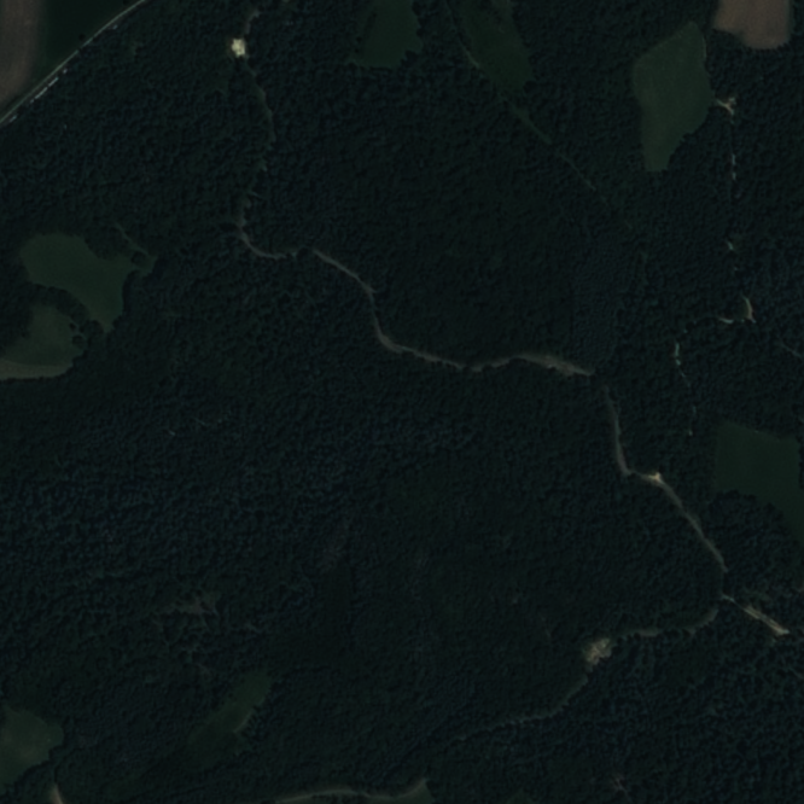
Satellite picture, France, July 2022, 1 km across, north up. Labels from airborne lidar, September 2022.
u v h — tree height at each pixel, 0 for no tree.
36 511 31
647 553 11
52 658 19
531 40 14
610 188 13
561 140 12
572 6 20
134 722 21
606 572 19
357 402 11
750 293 33
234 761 7
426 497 15
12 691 23
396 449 24
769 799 14
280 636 13
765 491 0
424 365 17
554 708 16
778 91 18
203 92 14
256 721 17
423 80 14
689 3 18
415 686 19
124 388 19
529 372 19
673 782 16
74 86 16
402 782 21
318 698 16
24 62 0
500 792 11
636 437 17
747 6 0
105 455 21
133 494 33
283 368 19
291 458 26
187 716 13
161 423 22
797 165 9
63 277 0
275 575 23
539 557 14
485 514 17
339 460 28
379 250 15
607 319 28
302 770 19
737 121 18
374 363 20
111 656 7
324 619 15
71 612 21
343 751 12
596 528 14
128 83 8
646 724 23
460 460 19
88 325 20
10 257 23
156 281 25
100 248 18
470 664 16
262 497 22
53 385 12
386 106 16
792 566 29
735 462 0
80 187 16
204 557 21
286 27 16
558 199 17
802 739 18
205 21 17
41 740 0
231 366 15
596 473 18
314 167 23
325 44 21
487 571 14
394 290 15
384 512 20
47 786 15
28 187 25
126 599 22
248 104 7
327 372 23
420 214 18
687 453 18
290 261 15
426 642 16
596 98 11
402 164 21
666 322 22
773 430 24
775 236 24
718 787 30
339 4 22
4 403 17
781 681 6
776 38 0
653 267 17
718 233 22
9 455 21
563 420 13
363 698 20
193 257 25
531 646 11
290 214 26
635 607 22
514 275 9
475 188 14
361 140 21
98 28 0
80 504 29
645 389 20
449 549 18
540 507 14
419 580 15
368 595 24
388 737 19
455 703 21
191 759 7
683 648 17
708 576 21
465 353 17
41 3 0
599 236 24
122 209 14
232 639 20
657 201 16
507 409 9
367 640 20
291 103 19
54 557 19
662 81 0
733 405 18
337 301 23
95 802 9
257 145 23
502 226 18
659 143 0
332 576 12
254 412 23
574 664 18
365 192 10
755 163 13
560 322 19
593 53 16
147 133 28
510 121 27
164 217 21
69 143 17
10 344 15
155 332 21
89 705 16
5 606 23
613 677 19
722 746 28
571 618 17
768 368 20
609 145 15
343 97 16
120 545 25
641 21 13
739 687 26
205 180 22
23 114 15
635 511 20
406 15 0
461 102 18
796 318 15
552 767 25
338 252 19
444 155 11
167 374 17
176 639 25
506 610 14
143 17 10
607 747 9
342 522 25
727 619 24
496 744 15
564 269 21
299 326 20
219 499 23
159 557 28
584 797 17
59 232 12
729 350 17
